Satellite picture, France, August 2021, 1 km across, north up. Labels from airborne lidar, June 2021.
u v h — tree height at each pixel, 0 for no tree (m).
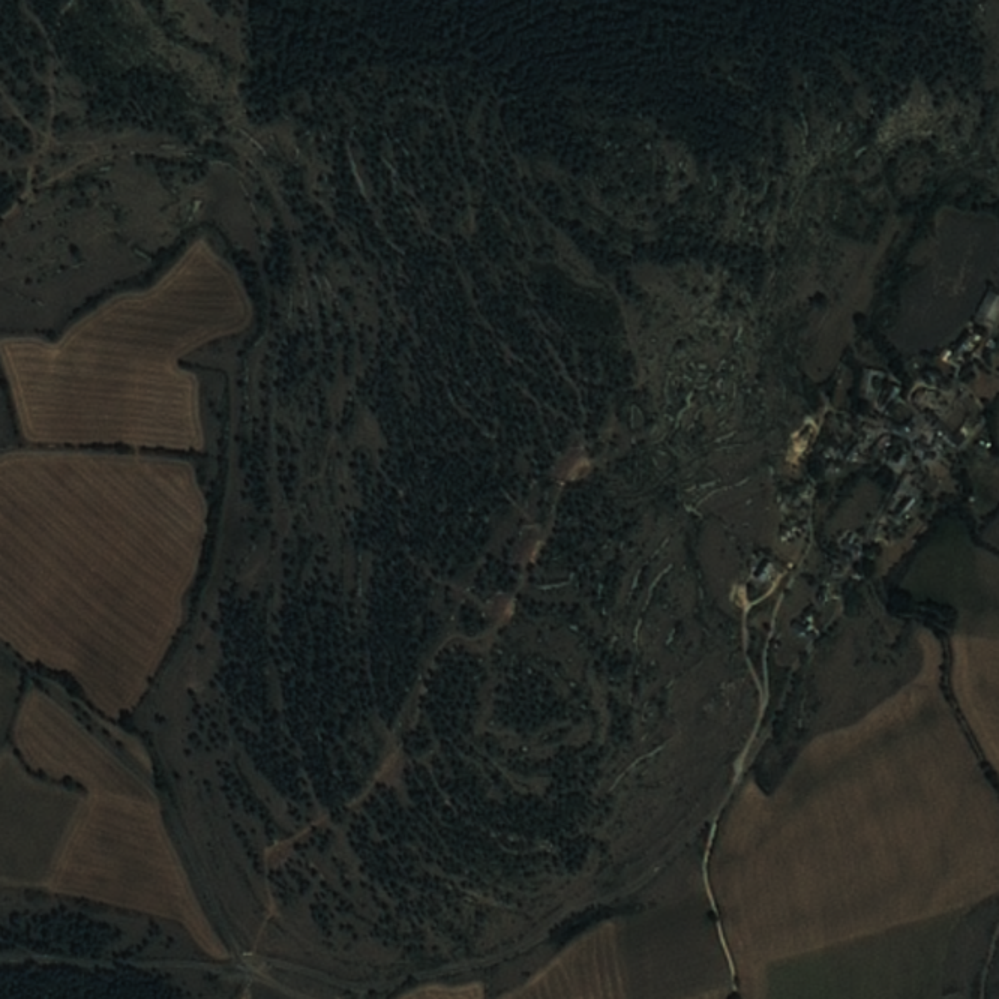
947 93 7
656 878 0
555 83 8
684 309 0
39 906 0
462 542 11
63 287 0
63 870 0
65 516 0
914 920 0
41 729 0
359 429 0
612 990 0
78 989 14
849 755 0
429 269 11
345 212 9
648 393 6
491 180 8
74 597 0
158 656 0
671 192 0
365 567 0
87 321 0
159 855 0
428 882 10
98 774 0
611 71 9
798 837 0
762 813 0
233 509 0
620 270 7
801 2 11
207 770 0
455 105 9
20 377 0
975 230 0
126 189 0
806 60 8
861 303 0
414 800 12
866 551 12
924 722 0
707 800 0
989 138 0
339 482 0
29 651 0
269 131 0
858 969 0
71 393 0
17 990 14
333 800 11
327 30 10
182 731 0
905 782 0
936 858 0
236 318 0
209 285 0
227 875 0
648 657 0
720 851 0
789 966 0
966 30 6
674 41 9
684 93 12
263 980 0
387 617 12
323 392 7
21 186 13
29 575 0
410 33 11
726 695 0
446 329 15
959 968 0
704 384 0
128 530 0
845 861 0
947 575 0
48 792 0
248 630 14
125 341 0
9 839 0
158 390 0
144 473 0
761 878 0
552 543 8
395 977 0
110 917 0
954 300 0
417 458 10
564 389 6
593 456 6
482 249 7
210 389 0
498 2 12
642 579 7
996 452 8
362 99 5
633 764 0
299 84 10
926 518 7
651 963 0
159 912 0
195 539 0
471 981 0
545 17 10
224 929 0
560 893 0
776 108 6
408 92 9
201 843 0
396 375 10
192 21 0
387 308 8
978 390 0
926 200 12
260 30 9
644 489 0
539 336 12
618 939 0
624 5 10
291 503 7
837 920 0
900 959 0
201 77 0
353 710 10
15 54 11
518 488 9
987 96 7
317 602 12
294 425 0
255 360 0
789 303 0
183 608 0
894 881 0
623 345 0
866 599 7
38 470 0
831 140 0
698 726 0
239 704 9
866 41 9
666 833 0
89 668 0
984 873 0
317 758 11
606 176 0
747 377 0
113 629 0
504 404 13
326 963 0
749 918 0
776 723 6
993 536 0
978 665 0
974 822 0
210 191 0
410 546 13
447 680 8
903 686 0
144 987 13
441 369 13
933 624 6
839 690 0
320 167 0
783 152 8
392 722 9
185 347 0
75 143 0
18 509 0
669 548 0
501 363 11
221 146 12
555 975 0
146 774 0
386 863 13
